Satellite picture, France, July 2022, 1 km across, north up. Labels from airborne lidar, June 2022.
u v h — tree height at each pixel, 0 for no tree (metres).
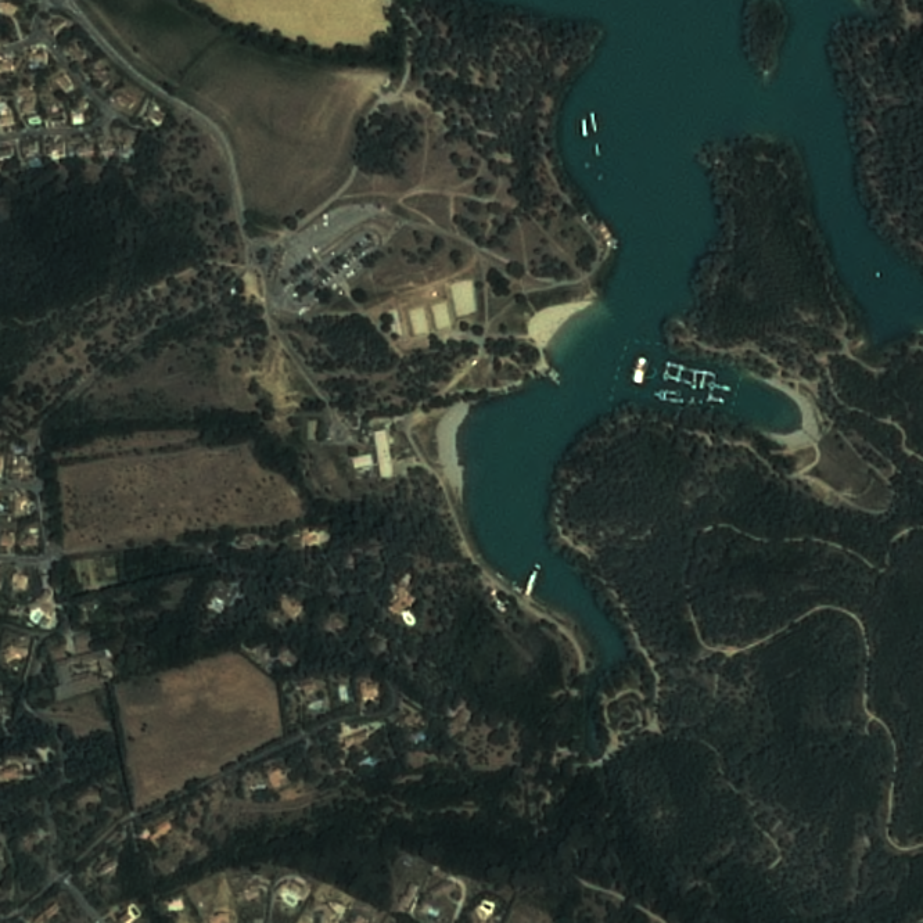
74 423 7
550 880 14
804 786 7
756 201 7
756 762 11
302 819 8
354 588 7
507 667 10
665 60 0
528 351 12
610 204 0
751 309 6
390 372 9
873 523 9
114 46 0
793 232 14
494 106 14
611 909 11
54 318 10
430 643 15
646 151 0
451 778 10
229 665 0
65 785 6
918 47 11
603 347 0
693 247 0
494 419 0
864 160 24
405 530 18
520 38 16
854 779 9
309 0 0
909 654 6
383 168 13
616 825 15
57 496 17
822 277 10
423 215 0
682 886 16
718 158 12
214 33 0
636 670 9
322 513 14
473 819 10
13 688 13
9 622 6
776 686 10
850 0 0
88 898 8
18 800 11
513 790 9
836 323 14
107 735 12
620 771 9
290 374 0
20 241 8
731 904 15
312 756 12
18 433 8
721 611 12
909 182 15
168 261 8
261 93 0
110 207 15
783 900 10
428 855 18
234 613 19
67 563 11
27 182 16
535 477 0
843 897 13
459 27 6
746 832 9
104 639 13
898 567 9
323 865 15
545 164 23
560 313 0
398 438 0
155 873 7
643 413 8
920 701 8
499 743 13
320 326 14
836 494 0
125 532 0
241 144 0
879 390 7
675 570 13
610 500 11
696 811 13
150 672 7
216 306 11
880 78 15
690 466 8
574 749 16
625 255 0
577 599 0
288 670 9
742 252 11
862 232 0
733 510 11
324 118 0
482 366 0
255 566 14
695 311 9
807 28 0
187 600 10
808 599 8
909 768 10
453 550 10
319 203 0
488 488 0
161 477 0
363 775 13
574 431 0
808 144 0
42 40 0
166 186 7
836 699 10
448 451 0
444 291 0
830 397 8
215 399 0
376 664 8
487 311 0
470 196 0
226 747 0
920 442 6
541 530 0
